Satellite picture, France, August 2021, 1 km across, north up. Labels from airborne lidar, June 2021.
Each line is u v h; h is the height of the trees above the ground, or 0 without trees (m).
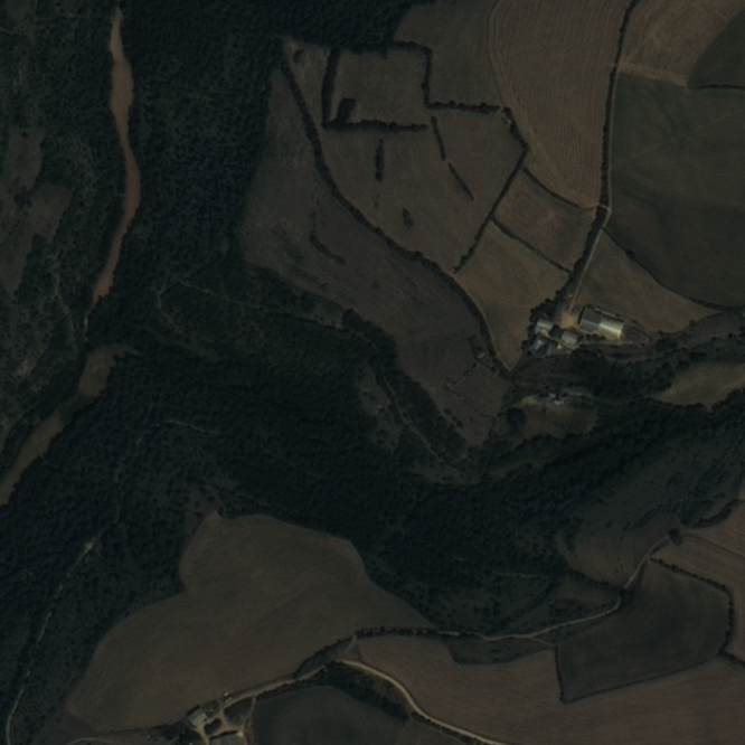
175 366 11
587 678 0
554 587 9
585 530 0
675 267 0
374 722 0
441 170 0
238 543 0
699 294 0
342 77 0
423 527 11
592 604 0
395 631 8
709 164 0
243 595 0
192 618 0
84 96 8
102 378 0
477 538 8
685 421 19
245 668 0
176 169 9
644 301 0
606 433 12
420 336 0
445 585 8
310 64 0
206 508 0
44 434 0
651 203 0
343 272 0
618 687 0
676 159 0
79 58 6
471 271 0
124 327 10
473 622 0
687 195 0
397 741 0
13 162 0
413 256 9
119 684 0
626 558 0
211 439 6
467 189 7
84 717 0
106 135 9
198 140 11
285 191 0
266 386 17
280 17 7
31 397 6
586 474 8
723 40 0
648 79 0
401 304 0
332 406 8
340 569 0
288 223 0
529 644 0
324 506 11
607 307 0
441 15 0
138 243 7
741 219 0
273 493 9
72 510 8
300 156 0
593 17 0
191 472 7
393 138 0
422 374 0
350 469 11
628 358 7
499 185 0
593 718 0
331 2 8
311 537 0
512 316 0
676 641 0
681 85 0
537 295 0
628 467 13
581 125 0
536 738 0
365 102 0
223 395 6
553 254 0
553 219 0
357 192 0
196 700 0
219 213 11
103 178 7
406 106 0
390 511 8
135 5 12
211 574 0
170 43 6
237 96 8
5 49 6
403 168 0
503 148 0
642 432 10
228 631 0
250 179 7
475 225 0
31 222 0
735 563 0
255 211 0
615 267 0
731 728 0
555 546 6
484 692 0
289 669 0
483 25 0
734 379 0
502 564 8
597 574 0
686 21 0
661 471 0
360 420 10
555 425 0
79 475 8
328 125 8
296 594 0
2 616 10
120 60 0
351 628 0
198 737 6
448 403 0
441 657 0
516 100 0
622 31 7
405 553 13
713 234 0
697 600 0
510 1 0
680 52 0
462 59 0
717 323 0
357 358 6
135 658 0
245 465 9
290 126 0
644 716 0
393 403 7
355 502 11
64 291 7
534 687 0
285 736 0
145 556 7
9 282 0
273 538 0
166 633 0
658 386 8
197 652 0
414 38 0
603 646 0
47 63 11
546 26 0
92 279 10
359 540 11
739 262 0
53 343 9
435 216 0
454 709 0
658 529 0
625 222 0
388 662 0
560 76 0
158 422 8
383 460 11
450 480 9
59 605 8
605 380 6
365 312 0
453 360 0
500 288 0
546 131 0
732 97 0
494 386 0
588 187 0
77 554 10
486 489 14
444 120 0
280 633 0
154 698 0
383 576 9
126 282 10
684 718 0
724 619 0
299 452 9
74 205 9
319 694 0
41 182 10
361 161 0
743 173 0
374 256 0
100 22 13
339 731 0
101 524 10
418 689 0
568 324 0
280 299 7
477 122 0
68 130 7
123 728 0
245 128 9
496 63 0
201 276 8
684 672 0
